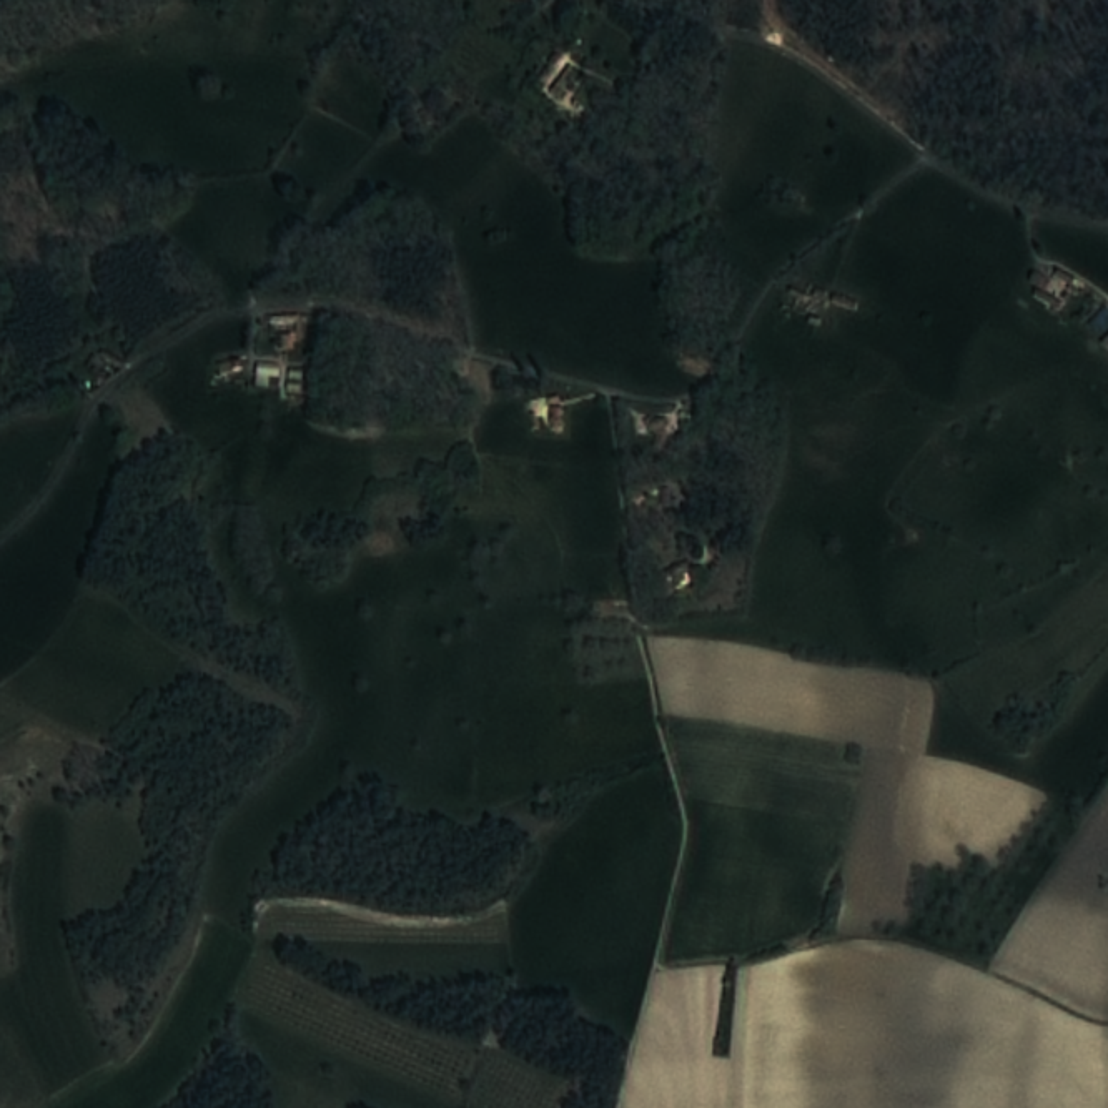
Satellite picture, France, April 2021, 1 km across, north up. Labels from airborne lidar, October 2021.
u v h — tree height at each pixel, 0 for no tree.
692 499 20
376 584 0
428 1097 0
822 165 0
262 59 0
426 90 16
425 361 23
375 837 8
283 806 0
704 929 0
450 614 0
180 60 0
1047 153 23
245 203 0
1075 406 0
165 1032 0
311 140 0
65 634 0
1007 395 0
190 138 0
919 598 0
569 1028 17
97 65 0
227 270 0
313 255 19
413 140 17
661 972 0
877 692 0
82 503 0
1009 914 9
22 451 0
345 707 0
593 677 11
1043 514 0
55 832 0
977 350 0
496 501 0
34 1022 0
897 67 18
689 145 19
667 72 21
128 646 0
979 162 20
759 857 0
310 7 9
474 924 0
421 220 20
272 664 13
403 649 0
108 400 0
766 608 0
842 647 0
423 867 14
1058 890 0
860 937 0
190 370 0
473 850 17
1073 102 21
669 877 0
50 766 0
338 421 18
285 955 18
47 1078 0
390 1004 12
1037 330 0
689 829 0
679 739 0
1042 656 0
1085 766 0
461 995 9
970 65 26
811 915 0
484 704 0
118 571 19
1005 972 0
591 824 0
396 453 0
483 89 0
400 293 24
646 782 0
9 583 0
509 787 0
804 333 0
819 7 19
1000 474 0
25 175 10
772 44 0
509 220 0
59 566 0
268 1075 19
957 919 12
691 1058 0
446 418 21
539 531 0
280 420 0
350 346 25
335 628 0
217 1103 20
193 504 6
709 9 18
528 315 0
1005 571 9
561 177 18
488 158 0
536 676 0
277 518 0
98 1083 0
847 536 0
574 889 0
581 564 0
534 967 0
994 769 0
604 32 0
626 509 8
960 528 0
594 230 23
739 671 0
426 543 21
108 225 13
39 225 10
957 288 0
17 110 22
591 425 0
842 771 0
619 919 0
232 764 16
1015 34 16
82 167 30
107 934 11
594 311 0
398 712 0
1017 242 0
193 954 0
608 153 22
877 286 0
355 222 22
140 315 10
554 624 0
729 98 0
